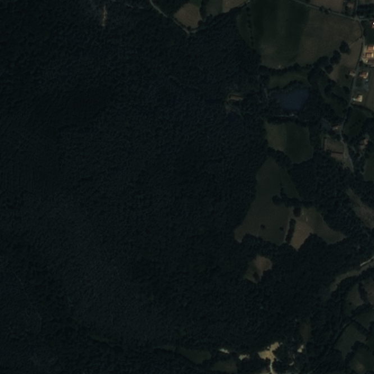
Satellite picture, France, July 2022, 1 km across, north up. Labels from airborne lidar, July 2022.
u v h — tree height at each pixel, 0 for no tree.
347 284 16
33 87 26
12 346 28
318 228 0
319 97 16
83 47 19
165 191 18
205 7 14
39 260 27
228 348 12
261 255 10
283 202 13
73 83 25
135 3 15
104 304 23
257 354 10
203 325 22
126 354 8
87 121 10
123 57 23
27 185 12
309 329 0
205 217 27
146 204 18
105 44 18
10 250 27
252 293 23
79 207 22
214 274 26
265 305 29
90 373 24
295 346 16
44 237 28
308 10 0
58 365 25
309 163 16
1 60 32
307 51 0
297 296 25
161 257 17
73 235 20
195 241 18
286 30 0
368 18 10
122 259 22
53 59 30
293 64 0
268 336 19
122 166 23
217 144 21
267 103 28
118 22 10
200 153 21
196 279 21
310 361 15
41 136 6
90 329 20
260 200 0
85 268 21
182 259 21
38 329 24
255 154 24
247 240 21
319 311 9
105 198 25
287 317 24
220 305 24
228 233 18
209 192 15
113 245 22
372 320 0
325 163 13
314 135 18
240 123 35
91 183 13
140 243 20
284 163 20
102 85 18
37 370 27
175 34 19
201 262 22
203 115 34
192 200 23
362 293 19
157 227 25
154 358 14
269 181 0
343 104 28
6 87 26
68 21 18
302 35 0
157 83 33
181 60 16
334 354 22
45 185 10
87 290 15
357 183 12
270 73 17
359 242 11
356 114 0
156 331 20
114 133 27
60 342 25
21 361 25
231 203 18
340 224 24
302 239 0
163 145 29
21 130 14
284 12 0
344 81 0
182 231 10
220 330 21
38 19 30
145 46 16
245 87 32
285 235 0
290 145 0
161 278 20
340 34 0
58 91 7
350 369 16
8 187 11
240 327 19
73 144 23
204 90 23
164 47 16
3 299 25
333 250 24
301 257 16
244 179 15
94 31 21
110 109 19
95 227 19
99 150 23
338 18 0
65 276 25
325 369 11
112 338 6
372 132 25
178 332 19
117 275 19
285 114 14
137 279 23
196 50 20
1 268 28
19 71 28
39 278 27
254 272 0
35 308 25
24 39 21
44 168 11
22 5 30
